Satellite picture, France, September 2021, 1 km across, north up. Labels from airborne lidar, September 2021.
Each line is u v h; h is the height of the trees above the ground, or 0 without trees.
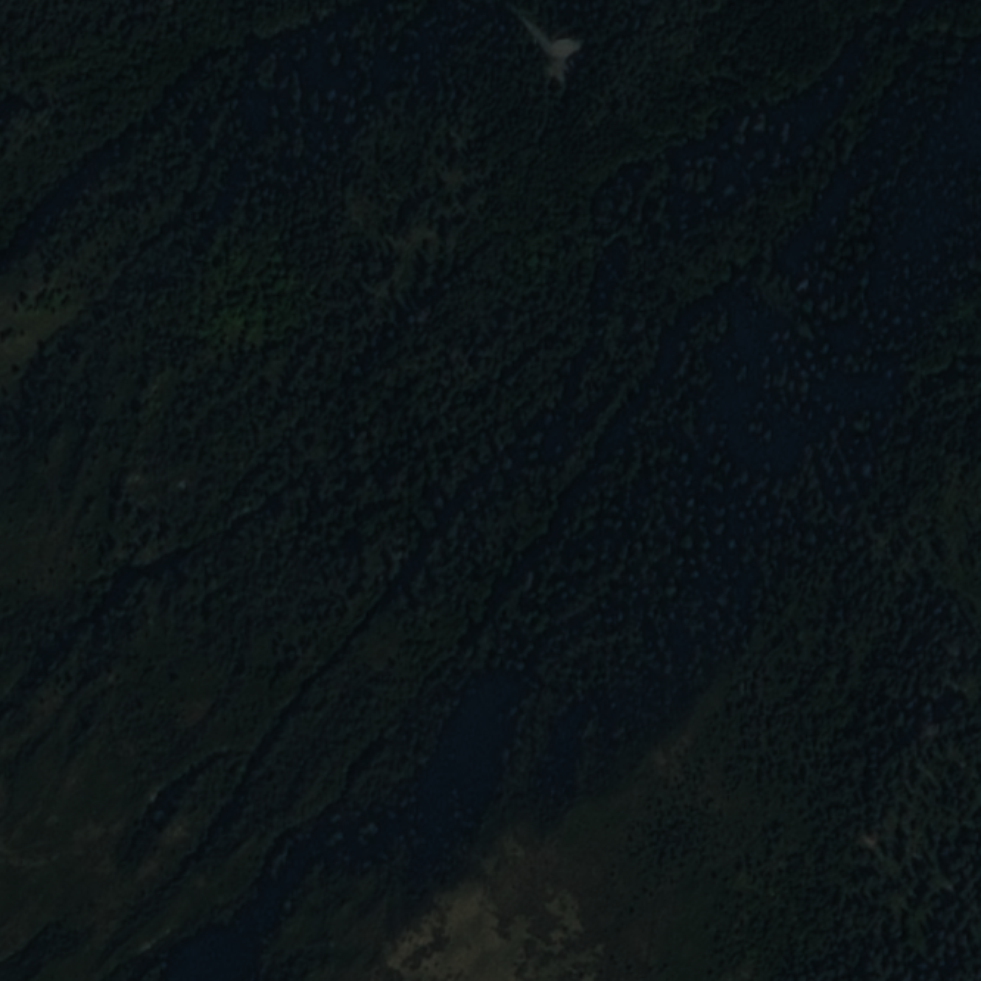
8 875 0
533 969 0
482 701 0
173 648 6
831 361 8
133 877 0
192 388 8
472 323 16
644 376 15
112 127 10
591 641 8
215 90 8
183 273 8
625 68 25
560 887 0
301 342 16
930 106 16
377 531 12
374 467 16
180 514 8
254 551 8
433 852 7
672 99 11
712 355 8
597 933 0
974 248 15
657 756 0
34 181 9
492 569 11
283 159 9
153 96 13
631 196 10
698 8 19
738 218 32
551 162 20
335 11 10
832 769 12
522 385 15
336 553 7
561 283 9
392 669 9
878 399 8
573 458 29
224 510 7
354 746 8
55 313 9
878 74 15
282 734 8
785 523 13
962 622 0
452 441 16
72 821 0
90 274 6
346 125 25
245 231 10
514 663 13
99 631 6
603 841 0
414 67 13
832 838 12
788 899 10
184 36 11
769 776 13
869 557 25
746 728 10
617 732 10
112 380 0
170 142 7
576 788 7
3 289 0
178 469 8
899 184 14
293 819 10
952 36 16
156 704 6
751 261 8
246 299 11
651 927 0
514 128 19
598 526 6
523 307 9
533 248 11
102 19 11
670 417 7
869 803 13
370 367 24
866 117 18
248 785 6
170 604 7
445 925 0
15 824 0
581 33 16
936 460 12
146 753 8
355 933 0
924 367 10
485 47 17
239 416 13
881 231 14
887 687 23
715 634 6
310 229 24
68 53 9
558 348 11
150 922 0
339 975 0
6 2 25
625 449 7
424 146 9
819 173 21
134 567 10
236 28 7
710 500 10
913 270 15
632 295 14
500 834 0
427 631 9
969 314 13
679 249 12
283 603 9
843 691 13
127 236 10
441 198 11
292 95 30
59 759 0
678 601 9
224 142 7
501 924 0
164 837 8
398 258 13
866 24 15
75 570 8
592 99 11
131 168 8
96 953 0
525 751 6
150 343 6
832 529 11
